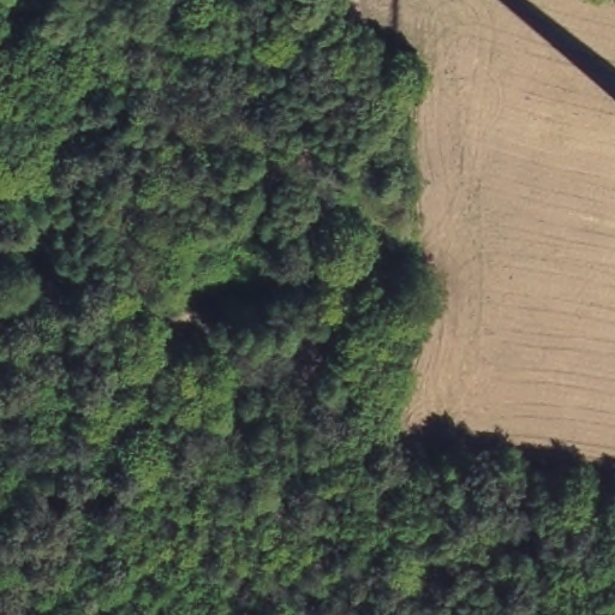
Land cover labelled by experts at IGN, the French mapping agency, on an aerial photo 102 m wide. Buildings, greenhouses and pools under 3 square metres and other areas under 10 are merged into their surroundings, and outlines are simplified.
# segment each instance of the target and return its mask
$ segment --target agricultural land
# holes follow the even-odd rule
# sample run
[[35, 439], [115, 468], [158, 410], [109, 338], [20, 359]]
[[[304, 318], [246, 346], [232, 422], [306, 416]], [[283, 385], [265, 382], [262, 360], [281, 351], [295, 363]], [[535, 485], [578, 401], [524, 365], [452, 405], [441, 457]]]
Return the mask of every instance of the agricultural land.
[[420, 171], [423, 187], [418, 197], [418, 211], [423, 214], [423, 231], [418, 243], [430, 255], [432, 269], [444, 274], [447, 305], [444, 312], [432, 322], [430, 339], [423, 344], [420, 356], [413, 360], [416, 389], [404, 408], [404, 432], [408, 432], [413, 442], [423, 442], [430, 449], [440, 440], [464, 440], [468, 432], [502, 432], [509, 442], [526, 444], [521, 449], [521, 456], [526, 466], [538, 473], [543, 473], [553, 464], [567, 478], [579, 478], [579, 464], [584, 459], [596, 461], [598, 485], [598, 490], [605, 490], [615, 497], [615, 0], [351, 0], [363, 17], [375, 19], [384, 26], [377, 41], [384, 46], [389, 55], [411, 53], [416, 48], [430, 74], [423, 103], [420, 108], [413, 108], [413, 156]]

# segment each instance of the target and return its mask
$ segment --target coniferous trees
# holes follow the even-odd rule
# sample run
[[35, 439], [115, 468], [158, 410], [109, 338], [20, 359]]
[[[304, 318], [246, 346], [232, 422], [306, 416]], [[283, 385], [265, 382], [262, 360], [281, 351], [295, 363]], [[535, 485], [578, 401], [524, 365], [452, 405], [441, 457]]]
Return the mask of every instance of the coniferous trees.
[[228, 341], [233, 339], [240, 344], [247, 336], [274, 339], [283, 344], [286, 334], [303, 317], [322, 320], [322, 315], [327, 312], [324, 298], [329, 295], [332, 286], [322, 279], [308, 279], [303, 283], [279, 283], [262, 276], [255, 267], [243, 267], [233, 279], [195, 291], [187, 300], [190, 322], [180, 322], [178, 317], [168, 317], [166, 322], [166, 327], [171, 329], [171, 339], [166, 341], [166, 365], [154, 375], [149, 384], [130, 384], [115, 389], [113, 404], [127, 406], [135, 399], [147, 399], [147, 406], [135, 423], [127, 423], [123, 430], [115, 432], [108, 447], [91, 444], [84, 437], [84, 428], [89, 428], [84, 404], [106, 382], [108, 372], [120, 372], [142, 365], [142, 360], [147, 358], [149, 320], [142, 312], [115, 320], [108, 324], [108, 334], [96, 336], [91, 344], [82, 348], [82, 353], [74, 353], [74, 336], [79, 334], [84, 320], [84, 291], [77, 281], [58, 274], [55, 228], [46, 228], [38, 235], [36, 247], [29, 252], [0, 252], [0, 291], [19, 281], [38, 279], [38, 298], [24, 312], [0, 317], [0, 577], [19, 572], [29, 581], [41, 579], [43, 584], [53, 586], [60, 579], [60, 574], [72, 565], [77, 550], [91, 553], [103, 533], [113, 529], [130, 531], [132, 524], [144, 521], [142, 509], [127, 509], [118, 502], [118, 497], [130, 488], [130, 483], [137, 480], [144, 490], [156, 485], [161, 488], [161, 492], [171, 488], [180, 490], [185, 495], [187, 509], [221, 509], [223, 502], [240, 502], [255, 504], [262, 514], [276, 512], [279, 531], [288, 533], [295, 533], [308, 526], [339, 526], [334, 538], [315, 538], [324, 555], [317, 562], [308, 565], [291, 586], [274, 589], [271, 593], [257, 593], [255, 586], [247, 579], [243, 579], [240, 589], [231, 596], [231, 615], [375, 615], [375, 610], [382, 605], [382, 598], [389, 598], [392, 593], [387, 579], [389, 572], [396, 567], [399, 553], [413, 553], [423, 567], [452, 567], [454, 562], [490, 562], [495, 569], [500, 569], [500, 562], [507, 557], [512, 565], [524, 565], [524, 560], [533, 560], [541, 555], [541, 545], [545, 543], [536, 531], [536, 514], [545, 514], [555, 504], [562, 504], [567, 497], [577, 495], [581, 480], [593, 480], [598, 485], [596, 461], [584, 459], [579, 464], [579, 478], [567, 478], [553, 464], [543, 473], [538, 473], [526, 466], [521, 456], [521, 449], [526, 444], [509, 442], [502, 432], [468, 432], [464, 440], [440, 440], [430, 449], [423, 442], [413, 442], [408, 432], [404, 432], [392, 444], [372, 447], [365, 456], [353, 456], [310, 473], [308, 468], [312, 461], [324, 459], [327, 452], [334, 452], [344, 440], [348, 440], [353, 418], [358, 418], [358, 413], [363, 411], [363, 406], [358, 406], [351, 399], [346, 399], [344, 408], [329, 408], [324, 401], [320, 401], [320, 394], [334, 392], [334, 370], [339, 368], [339, 358], [348, 353], [348, 341], [358, 339], [370, 327], [392, 324], [394, 310], [401, 305], [404, 295], [413, 293], [416, 283], [420, 279], [428, 279], [432, 269], [430, 255], [418, 243], [401, 243], [387, 233], [377, 238], [377, 262], [368, 276], [363, 276], [358, 283], [344, 291], [344, 317], [339, 324], [332, 327], [327, 341], [303, 341], [293, 356], [271, 356], [267, 363], [262, 363], [262, 382], [238, 387], [233, 394], [233, 428], [228, 435], [178, 425], [178, 418], [185, 416], [185, 411], [192, 406], [192, 399], [183, 394], [185, 368], [207, 356], [216, 356], [216, 348], [209, 341], [216, 332], [223, 332]]
[[43, 26], [46, 14], [53, 10], [55, 0], [17, 0], [17, 5], [10, 10], [10, 34], [0, 43], [0, 48], [22, 48], [31, 26]]

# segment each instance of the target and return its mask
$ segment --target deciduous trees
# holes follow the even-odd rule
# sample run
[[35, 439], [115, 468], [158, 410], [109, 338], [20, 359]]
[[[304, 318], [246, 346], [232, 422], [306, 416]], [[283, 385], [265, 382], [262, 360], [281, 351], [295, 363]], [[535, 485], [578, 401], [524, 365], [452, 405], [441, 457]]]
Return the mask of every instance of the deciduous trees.
[[0, 0], [0, 43], [10, 34], [10, 10], [17, 5], [17, 0]]
[[19, 281], [0, 291], [0, 317], [24, 312], [38, 298], [38, 279]]
[[344, 440], [334, 452], [327, 452], [324, 459], [312, 461], [308, 468], [310, 473], [353, 456], [365, 456], [372, 447], [392, 444], [404, 432], [404, 408], [416, 389], [413, 360], [420, 356], [423, 344], [430, 339], [432, 322], [444, 312], [447, 305], [444, 274], [432, 269], [428, 279], [420, 279], [416, 283], [413, 293], [404, 295], [401, 305], [394, 310], [392, 324], [370, 327], [358, 339], [348, 341], [348, 353], [339, 358], [339, 368], [334, 370], [334, 392], [320, 394], [320, 401], [324, 401], [329, 408], [344, 408], [346, 399], [351, 399], [358, 406], [363, 406], [363, 411], [358, 413], [358, 418], [353, 418], [348, 440]]
[[339, 324], [344, 317], [344, 291], [358, 283], [363, 276], [368, 276], [377, 262], [377, 238], [387, 233], [401, 243], [418, 243], [423, 231], [423, 214], [418, 211], [418, 197], [423, 187], [420, 171], [413, 156], [413, 108], [420, 108], [423, 103], [430, 74], [416, 48], [411, 53], [389, 55], [384, 46], [377, 41], [384, 26], [375, 19], [363, 17], [351, 0], [55, 0], [53, 10], [46, 14], [43, 26], [31, 26], [22, 48], [0, 48], [0, 252], [29, 252], [36, 247], [38, 235], [46, 228], [55, 228], [58, 274], [77, 281], [84, 291], [84, 320], [79, 334], [74, 336], [74, 353], [82, 353], [82, 348], [91, 344], [96, 336], [108, 334], [108, 324], [115, 320], [142, 312], [149, 320], [147, 358], [142, 360], [142, 365], [120, 372], [108, 372], [106, 382], [84, 404], [89, 428], [84, 428], [84, 437], [91, 444], [108, 447], [115, 432], [123, 430], [127, 423], [135, 423], [147, 406], [147, 399], [135, 399], [127, 406], [113, 404], [115, 389], [130, 384], [149, 384], [154, 375], [166, 365], [166, 341], [171, 339], [171, 329], [166, 327], [166, 322], [168, 317], [178, 317], [180, 322], [190, 322], [187, 300], [195, 291], [233, 279], [243, 267], [255, 267], [262, 276], [279, 283], [303, 283], [308, 279], [322, 279], [332, 286], [329, 295], [324, 298], [327, 312], [322, 315], [322, 320], [303, 317], [286, 334], [283, 344], [274, 339], [247, 336], [240, 344], [233, 339], [228, 341], [223, 332], [216, 332], [209, 341], [216, 348], [216, 356], [207, 356], [185, 368], [183, 394], [192, 399], [192, 406], [185, 411], [185, 416], [178, 418], [178, 425], [228, 435], [233, 428], [233, 394], [238, 387], [262, 382], [262, 363], [267, 363], [271, 356], [293, 356], [303, 341], [327, 341], [332, 327]]
[[43, 584], [41, 579], [29, 581], [19, 572], [0, 577], [0, 615], [231, 615], [231, 596], [240, 589], [243, 579], [247, 579], [255, 586], [257, 593], [271, 593], [274, 589], [291, 586], [308, 565], [317, 562], [324, 555], [315, 538], [334, 538], [339, 526], [308, 526], [295, 533], [288, 533], [279, 531], [276, 512], [262, 514], [255, 504], [240, 502], [223, 502], [221, 509], [187, 509], [185, 495], [180, 490], [171, 488], [161, 492], [161, 488], [156, 485], [144, 490], [137, 480], [130, 483], [130, 488], [118, 497], [118, 502], [127, 509], [142, 509], [144, 521], [132, 524], [130, 531], [113, 529], [103, 533], [91, 553], [77, 550], [72, 565], [60, 574], [60, 579], [53, 586]]
[[541, 545], [541, 555], [533, 560], [524, 560], [524, 565], [512, 565], [507, 557], [500, 562], [500, 569], [495, 569], [490, 562], [454, 562], [452, 567], [423, 567], [413, 553], [399, 553], [396, 567], [389, 572], [387, 579], [392, 593], [389, 598], [382, 598], [382, 605], [375, 610], [375, 615], [615, 615], [615, 497], [605, 490], [598, 490], [598, 485], [593, 480], [581, 480], [577, 495], [567, 497], [562, 504], [555, 504], [545, 514], [536, 514], [536, 531], [545, 543]]

